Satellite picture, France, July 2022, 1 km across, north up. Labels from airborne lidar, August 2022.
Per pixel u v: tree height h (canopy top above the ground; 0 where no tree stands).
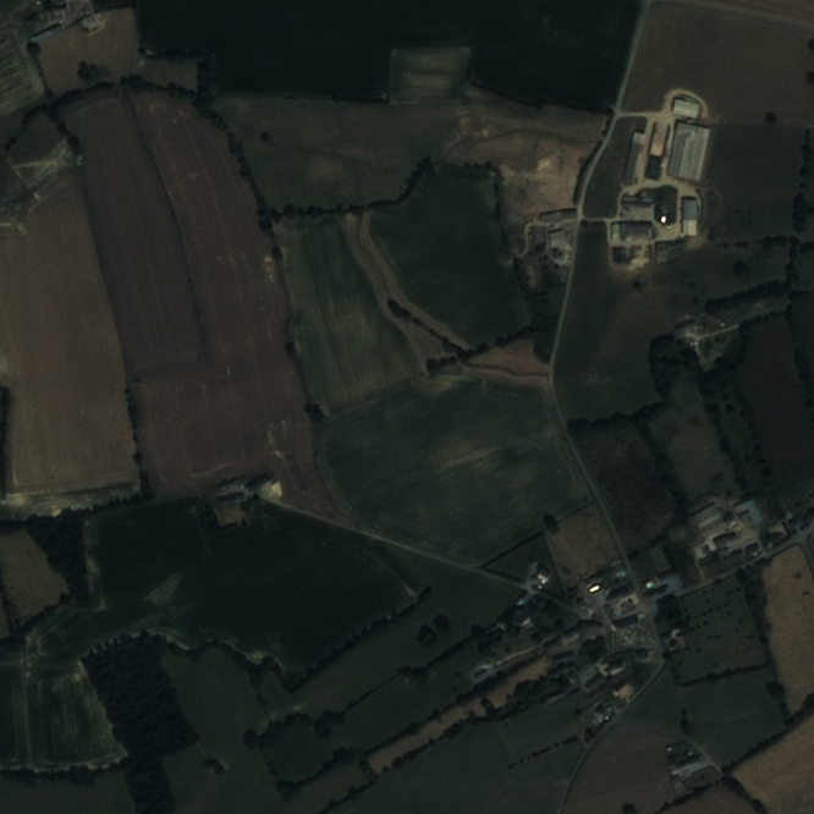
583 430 13
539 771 0
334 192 0
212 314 0
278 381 0
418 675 14
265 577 0
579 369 0
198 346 0
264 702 10
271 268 0
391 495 0
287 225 0
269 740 12
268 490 0
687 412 0
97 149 0
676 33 0
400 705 0
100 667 15
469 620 0
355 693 0
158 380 0
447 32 0
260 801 0
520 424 0
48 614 11
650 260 0
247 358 0
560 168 0
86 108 0
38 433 0
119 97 0
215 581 0
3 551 0
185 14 0
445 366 7
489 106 0
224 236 0
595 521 0
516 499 0
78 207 0
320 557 0
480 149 0
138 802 22
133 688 12
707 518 0
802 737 0
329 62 0
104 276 0
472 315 0
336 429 0
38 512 0
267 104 0
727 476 0
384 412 0
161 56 10
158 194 0
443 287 0
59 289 0
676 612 13
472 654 0
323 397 0
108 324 0
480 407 0
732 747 0
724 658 0
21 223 0
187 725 14
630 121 0
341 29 0
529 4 0
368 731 0
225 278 0
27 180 0
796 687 0
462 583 0
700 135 0
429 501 0
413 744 0
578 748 0
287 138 0
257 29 0
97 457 0
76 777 20
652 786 0
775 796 0
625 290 0
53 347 0
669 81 0
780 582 0
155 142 0
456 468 0
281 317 0
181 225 0
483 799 0
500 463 0
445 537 0
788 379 0
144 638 13
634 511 0
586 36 0
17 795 0
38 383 0
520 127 0
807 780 0
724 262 0
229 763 0
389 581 0
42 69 6
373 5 0
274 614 0
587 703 0
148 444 0
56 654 0
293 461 0
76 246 0
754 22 0
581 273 0
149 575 0
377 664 0
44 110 10
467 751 0
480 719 8
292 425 0
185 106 0
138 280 0
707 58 0
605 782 0
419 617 0
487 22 0
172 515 0
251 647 0
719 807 0
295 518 0
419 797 0
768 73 0
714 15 0
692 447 0
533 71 0
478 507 0
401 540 0
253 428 0
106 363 0
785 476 0
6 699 0
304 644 0
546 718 0
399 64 0
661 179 0
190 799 0
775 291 17
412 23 0
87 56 0
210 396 0
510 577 5
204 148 0
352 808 0
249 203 0
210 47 0
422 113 0
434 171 10
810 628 0
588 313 0
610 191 0
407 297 0
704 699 0
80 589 14
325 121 0
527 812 0
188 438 0
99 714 0
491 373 0
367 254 0
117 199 0
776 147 0
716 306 14
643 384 0
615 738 0
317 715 0
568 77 0
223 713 0
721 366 14
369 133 0
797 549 0
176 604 0
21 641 15
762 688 0
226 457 0
